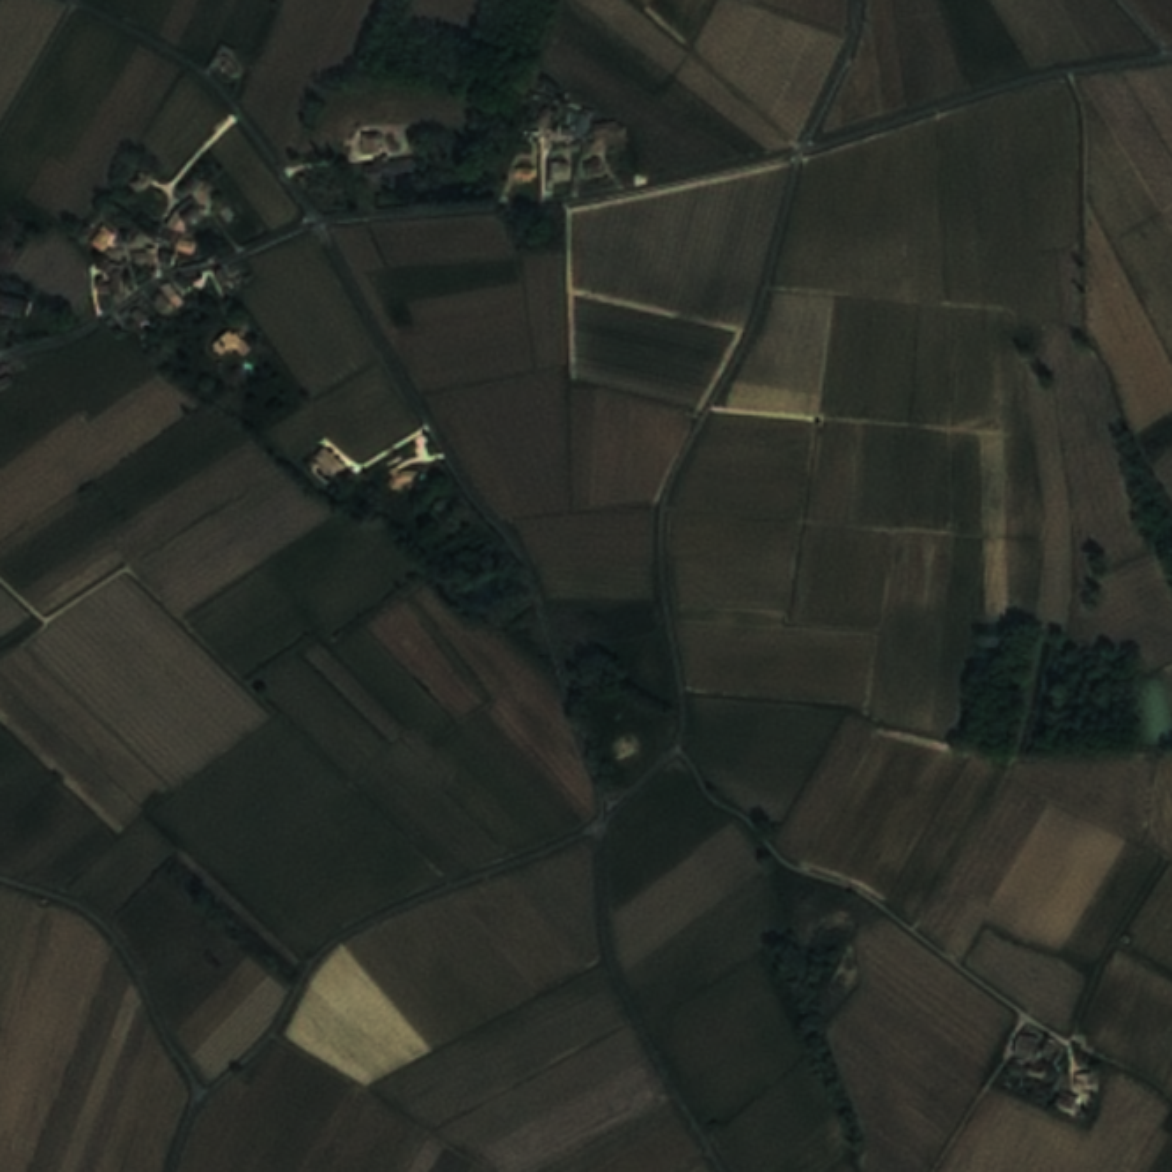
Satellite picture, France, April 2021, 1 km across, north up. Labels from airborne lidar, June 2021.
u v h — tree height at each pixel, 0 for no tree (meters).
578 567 0
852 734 0
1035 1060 0
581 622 0
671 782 0
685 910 0
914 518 0
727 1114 0
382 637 0
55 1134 0
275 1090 0
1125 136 0
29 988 0
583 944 0
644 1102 0
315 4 0
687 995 0
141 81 0
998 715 18
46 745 0
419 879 0
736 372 0
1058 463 0
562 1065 0
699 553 0
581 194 0
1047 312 0
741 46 0
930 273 0
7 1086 0
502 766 0
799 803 0
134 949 0
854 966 0
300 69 0
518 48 15
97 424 0
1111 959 0
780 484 0
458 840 0
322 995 0
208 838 0
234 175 0
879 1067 0
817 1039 16
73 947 0
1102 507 0
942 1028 0
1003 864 0
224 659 0
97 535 0
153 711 0
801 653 0
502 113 13
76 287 0
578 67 0
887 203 0
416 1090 0
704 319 0
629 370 0
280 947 0
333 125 0
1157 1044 0
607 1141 0
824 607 0
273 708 0
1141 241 0
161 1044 0
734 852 0
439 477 13
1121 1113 0
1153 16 0
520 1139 0
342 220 0
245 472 0
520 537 0
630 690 15
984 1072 0
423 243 0
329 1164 0
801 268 0
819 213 0
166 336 10
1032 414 0
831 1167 0
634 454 0
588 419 0
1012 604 0
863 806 0
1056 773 0
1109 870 0
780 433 0
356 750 0
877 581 0
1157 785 0
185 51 0
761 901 0
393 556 0
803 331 0
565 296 0
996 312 0
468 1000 0
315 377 0
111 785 0
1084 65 0
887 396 0
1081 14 0
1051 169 0
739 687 0
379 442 0
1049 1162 0
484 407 0
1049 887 0
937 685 0
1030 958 0
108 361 0
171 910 0
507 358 0
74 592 0
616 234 0
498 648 0
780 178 0
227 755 0
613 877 0
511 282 0
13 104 0
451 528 18
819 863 0
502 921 0
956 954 0
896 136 0
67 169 0
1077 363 0
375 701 0
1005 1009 0
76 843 0
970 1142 0
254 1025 0
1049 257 0
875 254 0
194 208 0
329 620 0
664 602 0
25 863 0
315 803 0
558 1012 0
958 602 0
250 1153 0
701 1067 0
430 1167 0
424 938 0
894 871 0
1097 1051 0
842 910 0
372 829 0
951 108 0
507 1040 0
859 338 0
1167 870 0
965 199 0
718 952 0
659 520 0
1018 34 0
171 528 0
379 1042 0
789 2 0
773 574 0
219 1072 0
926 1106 0
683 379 0
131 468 0
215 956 0
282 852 0
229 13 0
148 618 0
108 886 0
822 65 0
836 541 0
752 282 0
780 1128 0
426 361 0
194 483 0
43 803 0
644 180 0
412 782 0
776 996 0
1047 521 0
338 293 0
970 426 0
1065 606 0
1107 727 19
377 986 0
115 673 0
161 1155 0
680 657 0
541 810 0
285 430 0
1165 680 0
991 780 0
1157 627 0
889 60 0
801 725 0
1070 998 0
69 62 0
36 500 0
